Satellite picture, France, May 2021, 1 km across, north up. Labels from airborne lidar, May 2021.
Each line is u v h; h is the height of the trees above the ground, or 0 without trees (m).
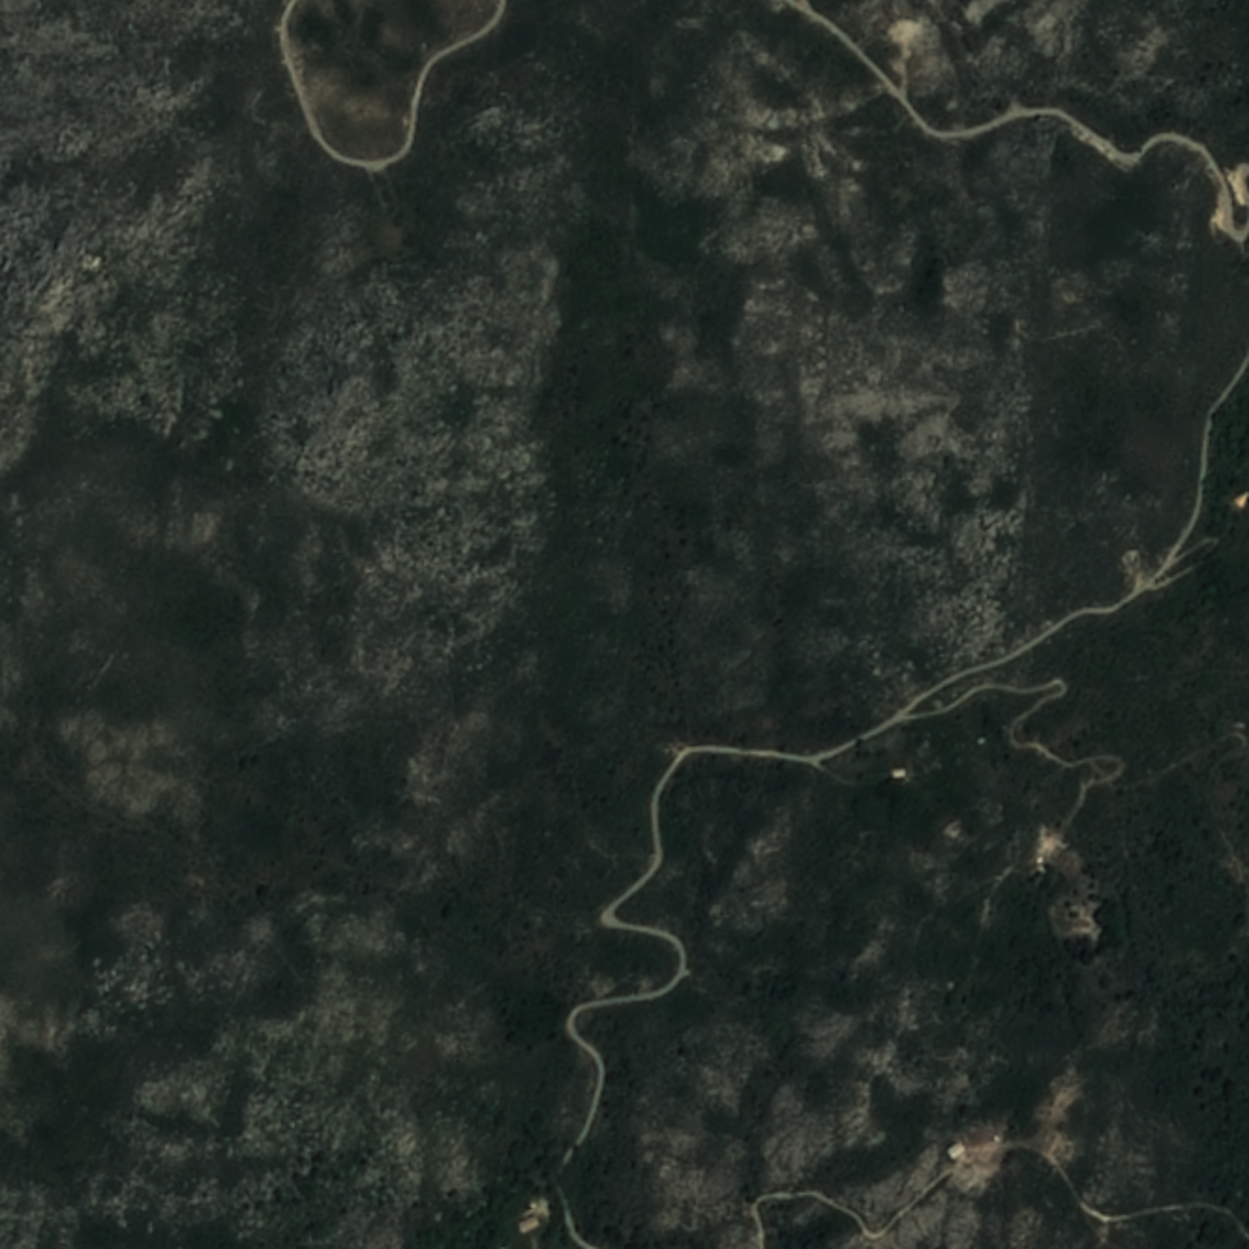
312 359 0
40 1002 0
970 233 0
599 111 0
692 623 0
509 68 0
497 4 0
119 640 0
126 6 0
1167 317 0
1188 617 6
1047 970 7
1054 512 0
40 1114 0
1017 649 0
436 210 0
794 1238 8
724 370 0
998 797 0
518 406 0
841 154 0
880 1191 0
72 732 0
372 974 0
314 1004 0
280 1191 8
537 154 0
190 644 0
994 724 6
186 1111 0
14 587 0
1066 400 0
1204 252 0
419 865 0
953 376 0
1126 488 0
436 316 0
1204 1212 6
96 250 0
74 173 0
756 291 0
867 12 0
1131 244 0
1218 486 6
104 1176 0
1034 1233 0
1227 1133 8
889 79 0
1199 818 7
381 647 0
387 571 0
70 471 0
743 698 0
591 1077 0
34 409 0
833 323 0
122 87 0
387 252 0
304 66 0
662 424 0
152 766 0
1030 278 0
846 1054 0
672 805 7
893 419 0
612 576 0
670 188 0
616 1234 8
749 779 6
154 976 0
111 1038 0
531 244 0
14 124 0
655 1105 0
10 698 0
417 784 0
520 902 6
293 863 0
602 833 0
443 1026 0
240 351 0
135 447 0
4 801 0
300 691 0
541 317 0
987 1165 0
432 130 0
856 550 0
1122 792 7
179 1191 0
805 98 0
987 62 0
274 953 0
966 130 0
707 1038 0
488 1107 8
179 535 0
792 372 0
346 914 0
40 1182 0
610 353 0
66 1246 0
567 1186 9
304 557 0
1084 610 0
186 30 0
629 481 7
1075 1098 0
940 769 0
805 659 0
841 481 0
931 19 0
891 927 0
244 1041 0
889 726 0
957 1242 0
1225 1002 10
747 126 0
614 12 0
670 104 0
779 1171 0
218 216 0
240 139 0
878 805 0
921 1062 7
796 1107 0
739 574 0
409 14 0
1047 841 0
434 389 0
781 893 0
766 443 0
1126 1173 0
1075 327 0
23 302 0
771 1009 10
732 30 0
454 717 0
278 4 0
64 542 0
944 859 0
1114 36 0
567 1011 8
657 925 0
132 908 0
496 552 0
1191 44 0
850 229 0
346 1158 6
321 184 0
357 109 0
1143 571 0
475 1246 6
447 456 0
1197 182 0
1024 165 0
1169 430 0
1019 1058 0
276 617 0
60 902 0
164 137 0
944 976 5
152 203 0
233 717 0
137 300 0
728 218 0
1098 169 0
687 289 0
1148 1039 0
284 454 0
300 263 0
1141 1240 0
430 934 8
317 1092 0
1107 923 9
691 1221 0
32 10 0
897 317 0
